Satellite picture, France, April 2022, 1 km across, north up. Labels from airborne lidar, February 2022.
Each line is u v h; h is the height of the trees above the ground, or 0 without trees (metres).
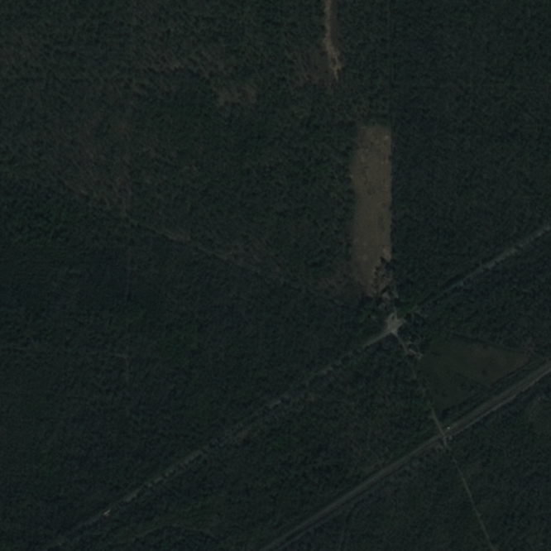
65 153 17
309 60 13
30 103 15
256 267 17
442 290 12
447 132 13
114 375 8
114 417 13
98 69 15
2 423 10
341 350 15
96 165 16
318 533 16
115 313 17
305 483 10
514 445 10
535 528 16
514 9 19
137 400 10
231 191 15
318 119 13
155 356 13
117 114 21
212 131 16
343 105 13
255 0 16
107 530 18
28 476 13
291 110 14
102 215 17
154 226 14
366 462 14
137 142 16
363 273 0
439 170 17
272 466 17
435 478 9
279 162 17
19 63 12
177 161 16
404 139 14
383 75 14
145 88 11
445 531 9
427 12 7
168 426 14
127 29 11
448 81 14
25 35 19
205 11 17
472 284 16
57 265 13
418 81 16
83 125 19
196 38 13
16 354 11
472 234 17
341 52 10
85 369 12
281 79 11
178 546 18
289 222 21
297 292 18
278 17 16
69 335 14
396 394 15
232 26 14
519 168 18
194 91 13
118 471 13
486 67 16
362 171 0
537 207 14
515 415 12
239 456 17
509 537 14
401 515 11
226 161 18
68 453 15
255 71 17
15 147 17
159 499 17
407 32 13
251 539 16
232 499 8
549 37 16
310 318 17
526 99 15
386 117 13
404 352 14
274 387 15
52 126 16
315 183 17
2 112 9
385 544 9
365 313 18
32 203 11
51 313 17
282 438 16
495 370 0
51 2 15
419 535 8
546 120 15
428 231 15
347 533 9
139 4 18
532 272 11
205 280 8
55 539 12
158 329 19
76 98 14
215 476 19
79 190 15
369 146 0
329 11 0
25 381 10
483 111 18
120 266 9
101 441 17
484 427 10
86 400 14
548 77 18
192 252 15
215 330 16
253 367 16
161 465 12
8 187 19
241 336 18
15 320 15
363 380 22
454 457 11
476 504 10
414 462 9
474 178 13
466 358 0
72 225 17
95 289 10
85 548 13
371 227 0
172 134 17
